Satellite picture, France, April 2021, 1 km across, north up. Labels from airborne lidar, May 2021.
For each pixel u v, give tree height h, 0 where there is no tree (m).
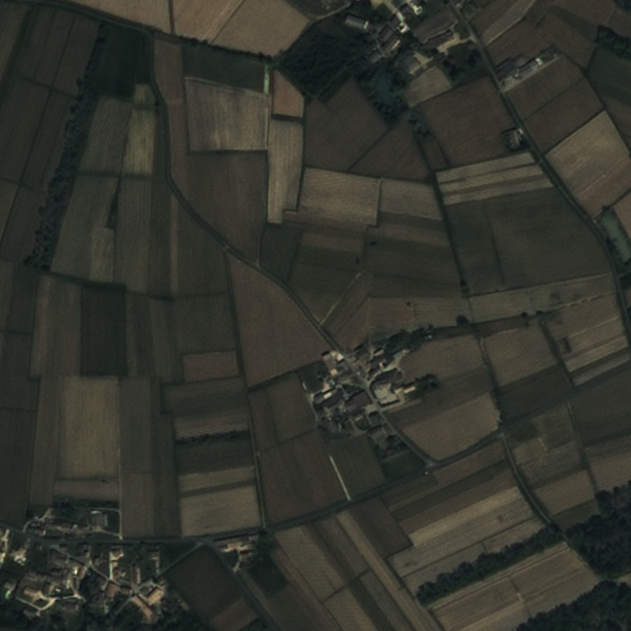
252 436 0
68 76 0
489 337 0
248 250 0
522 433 0
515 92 0
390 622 0
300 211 0
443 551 0
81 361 0
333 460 0
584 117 0
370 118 0
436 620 0
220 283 0
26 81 0
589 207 0
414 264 0
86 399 0
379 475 0
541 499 0
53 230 10
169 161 0
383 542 0
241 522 0
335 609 0
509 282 0
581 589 0
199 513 0
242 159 0
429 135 8
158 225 0
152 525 0
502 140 0
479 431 0
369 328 0
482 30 0
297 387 0
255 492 0
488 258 0
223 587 0
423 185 0
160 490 0
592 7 0
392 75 6
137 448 0
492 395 0
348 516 0
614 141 0
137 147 0
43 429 0
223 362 0
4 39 0
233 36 0
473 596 0
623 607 26
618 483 0
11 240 0
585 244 0
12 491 0
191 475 0
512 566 13
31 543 0
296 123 0
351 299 0
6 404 0
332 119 0
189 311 0
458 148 0
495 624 0
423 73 0
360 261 0
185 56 0
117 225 0
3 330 0
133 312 0
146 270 0
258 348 0
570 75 0
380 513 0
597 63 0
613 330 0
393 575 0
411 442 0
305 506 0
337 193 0
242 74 0
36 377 0
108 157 0
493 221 0
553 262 0
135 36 0
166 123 0
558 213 0
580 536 19
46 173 0
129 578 0
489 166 0
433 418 0
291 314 0
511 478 0
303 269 0
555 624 18
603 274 0
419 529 0
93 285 0
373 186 0
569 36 0
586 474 0
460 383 0
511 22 0
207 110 0
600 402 0
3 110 0
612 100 0
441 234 0
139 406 0
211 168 0
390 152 0
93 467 0
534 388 0
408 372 0
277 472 0
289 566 0
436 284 0
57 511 13
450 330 0
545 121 0
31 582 0
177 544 0
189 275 0
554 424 0
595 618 13
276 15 0
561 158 0
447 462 0
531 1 0
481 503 0
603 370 0
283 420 0
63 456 0
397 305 0
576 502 0
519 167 0
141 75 0
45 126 0
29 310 0
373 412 0
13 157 0
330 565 0
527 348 0
